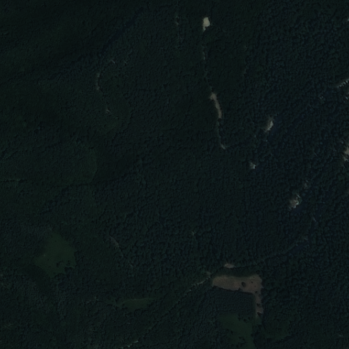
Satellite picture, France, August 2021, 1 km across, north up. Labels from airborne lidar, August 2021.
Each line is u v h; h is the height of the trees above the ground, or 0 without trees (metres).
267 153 34
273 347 24
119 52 30
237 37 18
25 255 16
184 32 27
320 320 26
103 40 25
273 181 37
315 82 26
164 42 34
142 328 20
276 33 20
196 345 22
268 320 23
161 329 26
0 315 13
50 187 31
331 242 20
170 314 18
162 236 31
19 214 19
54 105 18
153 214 30
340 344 16
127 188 31
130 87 36
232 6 23
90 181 23
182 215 34
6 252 17
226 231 35
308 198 28
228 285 0
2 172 22
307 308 29
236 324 0
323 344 23
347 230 27
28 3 26
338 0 11
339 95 23
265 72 9
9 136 30
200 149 21
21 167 29
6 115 37
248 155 35
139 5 21
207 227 34
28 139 25
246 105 32
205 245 28
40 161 31
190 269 17
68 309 26
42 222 20
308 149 31
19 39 22
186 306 17
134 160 24
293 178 29
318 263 31
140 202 31
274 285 15
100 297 26
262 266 19
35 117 29
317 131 32
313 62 30
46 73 12
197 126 22
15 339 13
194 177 29
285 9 9
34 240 22
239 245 34
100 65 31
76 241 22
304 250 26
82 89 26
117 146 33
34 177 22
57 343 18
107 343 24
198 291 16
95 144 30
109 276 26
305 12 11
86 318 21
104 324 18
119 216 33
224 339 21
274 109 28
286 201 38
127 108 29
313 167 13
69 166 28
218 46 15
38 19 22
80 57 15
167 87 33
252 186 36
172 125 19
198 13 11
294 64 26
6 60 26
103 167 26
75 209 27
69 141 31
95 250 30
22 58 32
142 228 26
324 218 24
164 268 32
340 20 10
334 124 28
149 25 35
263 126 26
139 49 31
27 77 15
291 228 28
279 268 25
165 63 33
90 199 24
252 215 32
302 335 23
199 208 26
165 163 33
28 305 14
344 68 9
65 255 0
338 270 21
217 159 34
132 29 33
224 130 29
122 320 18
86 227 29
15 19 22
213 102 19
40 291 20
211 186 34
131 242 29
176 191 31
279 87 27
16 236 21
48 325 15
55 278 10
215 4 27
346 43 11
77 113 27
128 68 29
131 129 32
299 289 15
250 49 14
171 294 20
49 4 28
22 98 17
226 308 19
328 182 31
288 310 22
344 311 13
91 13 22
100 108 24
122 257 31
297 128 30
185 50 34
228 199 32
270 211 25
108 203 26
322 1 7
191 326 19
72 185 33
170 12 33
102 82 35
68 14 25
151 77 31
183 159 33
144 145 28
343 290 20
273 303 24
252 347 0
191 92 22
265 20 26
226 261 19
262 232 35
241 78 17
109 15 35
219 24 21
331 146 28
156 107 30
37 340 28
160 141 34
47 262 0
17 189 30
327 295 21
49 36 15
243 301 26
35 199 27
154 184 32
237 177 32
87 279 29
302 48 27
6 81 14
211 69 24
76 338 24
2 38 19
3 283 20
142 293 8
